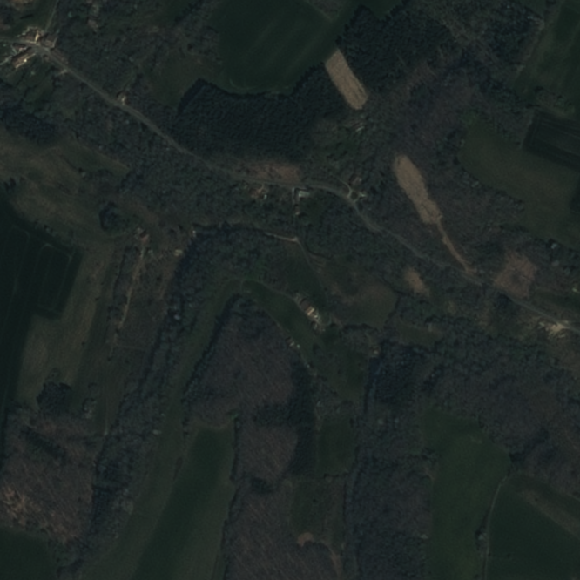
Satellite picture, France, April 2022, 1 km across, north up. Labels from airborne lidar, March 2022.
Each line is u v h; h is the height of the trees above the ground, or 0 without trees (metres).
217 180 15
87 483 29
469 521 0
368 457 23
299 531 0
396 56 29
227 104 25
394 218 22
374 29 29
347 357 0
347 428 0
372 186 6
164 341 11
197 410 24
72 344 0
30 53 0
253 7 0
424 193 0
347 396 0
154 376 17
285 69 0
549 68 0
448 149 21
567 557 0
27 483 30
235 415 16
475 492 0
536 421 32
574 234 0
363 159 17
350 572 21
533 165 0
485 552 13
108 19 17
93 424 21
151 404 23
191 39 18
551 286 23
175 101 0
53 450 18
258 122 30
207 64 0
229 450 0
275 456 29
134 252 21
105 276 0
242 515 20
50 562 0
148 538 0
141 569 0
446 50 30
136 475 26
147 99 11
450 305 0
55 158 0
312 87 25
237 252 21
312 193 22
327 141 15
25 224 0
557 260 22
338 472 0
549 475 28
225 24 0
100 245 0
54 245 0
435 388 18
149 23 0
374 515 30
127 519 18
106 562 0
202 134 27
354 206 0
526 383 11
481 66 25
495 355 28
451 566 0
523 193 0
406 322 6
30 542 0
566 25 0
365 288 0
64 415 27
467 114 25
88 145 20
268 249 18
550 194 0
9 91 20
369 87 25
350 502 23
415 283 0
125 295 26
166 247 0
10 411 0
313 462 24
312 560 30
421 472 21
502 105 32
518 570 0
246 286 0
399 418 12
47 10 0
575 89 0
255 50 0
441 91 27
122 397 0
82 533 25
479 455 0
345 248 21
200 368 12
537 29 23
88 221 0
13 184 0
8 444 19
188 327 18
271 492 20
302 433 22
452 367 11
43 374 0
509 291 0
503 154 0
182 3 0
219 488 0
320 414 21
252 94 0
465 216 25
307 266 0
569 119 0
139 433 24
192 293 22
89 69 21
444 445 0
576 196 0
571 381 15
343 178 18
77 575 18
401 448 29
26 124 28
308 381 35
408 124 27
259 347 28
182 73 0
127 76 26
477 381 30
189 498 0
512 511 0
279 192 7
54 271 0
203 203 16
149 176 25
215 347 11
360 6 0
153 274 27
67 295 0
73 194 0
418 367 30
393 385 31
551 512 0
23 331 0
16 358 0
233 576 21
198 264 28
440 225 0
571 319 0
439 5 23
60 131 24
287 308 0
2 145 0
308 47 0
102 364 0
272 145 32
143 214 0
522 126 25
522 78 0
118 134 13
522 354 15
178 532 0
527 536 0
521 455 19
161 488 0
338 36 0
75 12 10
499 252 25
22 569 0
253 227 0
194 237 0
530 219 0
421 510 32
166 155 20
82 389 0
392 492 26
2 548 0
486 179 0
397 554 28
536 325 0
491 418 30
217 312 0
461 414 12
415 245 24
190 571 0
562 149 0
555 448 30
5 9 22
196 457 0
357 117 11
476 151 0
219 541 0
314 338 0
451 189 23
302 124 31
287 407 24
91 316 0
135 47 24
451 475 0
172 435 0
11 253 0
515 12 26
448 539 0
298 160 27
